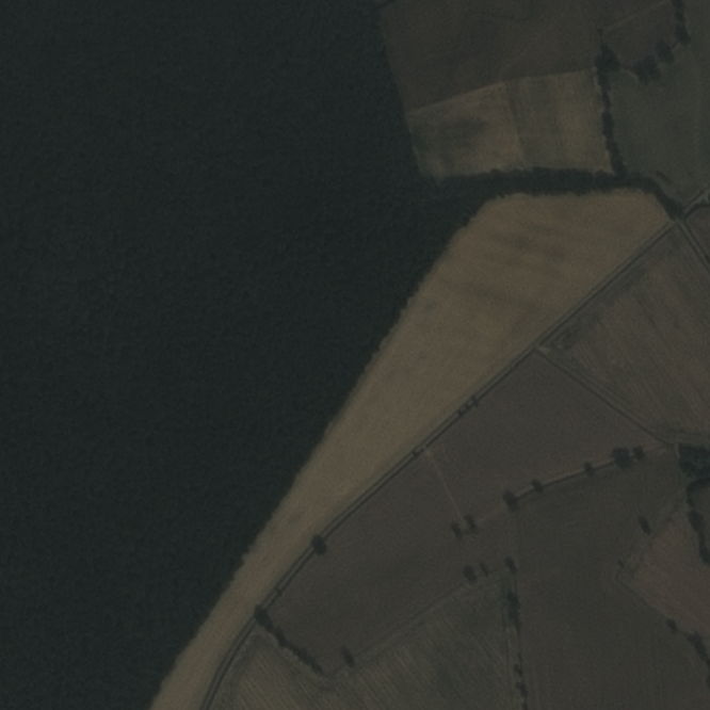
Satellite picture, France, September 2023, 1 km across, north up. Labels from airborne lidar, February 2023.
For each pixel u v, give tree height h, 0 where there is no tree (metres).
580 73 0
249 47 28
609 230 0
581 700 0
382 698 0
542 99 0
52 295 21
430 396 0
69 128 24
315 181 24
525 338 0
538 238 0
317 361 22
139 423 23
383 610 0
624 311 0
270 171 28
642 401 0
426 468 0
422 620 0
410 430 0
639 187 10
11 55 27
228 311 25
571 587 0
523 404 0
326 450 0
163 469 24
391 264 23
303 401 19
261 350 26
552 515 0
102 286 22
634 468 0
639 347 0
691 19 0
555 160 0
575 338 0
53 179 24
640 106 0
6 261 25
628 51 0
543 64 0
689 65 0
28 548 22
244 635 0
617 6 0
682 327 0
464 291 0
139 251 19
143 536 21
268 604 0
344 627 0
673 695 0
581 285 0
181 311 22
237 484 20
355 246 20
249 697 0
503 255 0
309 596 0
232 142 29
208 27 30
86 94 26
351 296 24
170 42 29
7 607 23
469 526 16
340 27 26
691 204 0
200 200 30
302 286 20
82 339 23
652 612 0
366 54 20
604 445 0
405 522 0
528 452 0
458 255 0
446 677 0
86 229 20
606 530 0
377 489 0
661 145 0
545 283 0
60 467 22
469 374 0
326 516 0
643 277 0
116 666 25
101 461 20
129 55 28
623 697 0
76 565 22
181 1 27
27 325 21
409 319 0
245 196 27
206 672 0
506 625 0
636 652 0
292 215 25
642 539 0
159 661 24
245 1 31
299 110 27
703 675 0
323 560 0
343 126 27
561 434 0
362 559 0
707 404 0
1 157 26
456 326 0
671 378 0
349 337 22
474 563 0
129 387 24
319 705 0
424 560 0
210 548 22
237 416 22
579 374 0
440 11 0
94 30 25
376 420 0
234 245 23
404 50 0
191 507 23
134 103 24
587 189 13
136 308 21
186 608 18
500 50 0
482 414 0
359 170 25
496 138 0
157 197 29
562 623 0
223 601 0
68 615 20
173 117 29
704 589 0
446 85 0
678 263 0
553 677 0
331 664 0
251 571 0
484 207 0
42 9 26
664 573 0
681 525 0
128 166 26
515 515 0
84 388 22
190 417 21
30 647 22
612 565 0
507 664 0
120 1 26
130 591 25
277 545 0
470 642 0
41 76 27
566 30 0
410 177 18
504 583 0
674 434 0
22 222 23
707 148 0
